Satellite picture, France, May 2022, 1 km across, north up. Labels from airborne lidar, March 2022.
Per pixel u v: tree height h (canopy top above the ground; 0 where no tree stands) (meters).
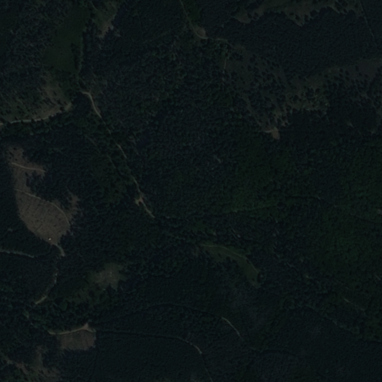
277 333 18
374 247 21
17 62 26
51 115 0
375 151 22
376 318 20
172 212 25
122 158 18
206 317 21
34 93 30
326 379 25
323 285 24
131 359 12
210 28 18
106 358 13
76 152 28
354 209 19
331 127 20
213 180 27
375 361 23
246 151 25
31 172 0
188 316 26
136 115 30
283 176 24
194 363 15
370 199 20
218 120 24
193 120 26
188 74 32
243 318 21
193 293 20
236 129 24
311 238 23
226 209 19
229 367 23
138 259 29
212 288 24
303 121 19
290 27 20
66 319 11
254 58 9
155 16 7
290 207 24
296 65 18
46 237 0
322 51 18
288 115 11
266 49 18
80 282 12
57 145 27
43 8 24
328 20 19
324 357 22
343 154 20
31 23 28
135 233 24
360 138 19
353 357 21
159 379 9
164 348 15
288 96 0
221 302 23
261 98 8
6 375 24
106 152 27
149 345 14
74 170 27
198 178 23
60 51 0
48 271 25
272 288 29
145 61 29
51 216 0
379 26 20
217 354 28
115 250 25
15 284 17
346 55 16
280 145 13
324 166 18
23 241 14
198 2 16
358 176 20
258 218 19
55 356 25
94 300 30
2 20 11
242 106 20
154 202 26
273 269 38
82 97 29
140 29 10
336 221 18
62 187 27
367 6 19
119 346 13
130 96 27
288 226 24
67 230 0
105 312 18
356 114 18
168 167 24
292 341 21
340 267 27
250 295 21
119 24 31
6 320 7
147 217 16
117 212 34
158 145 23
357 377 21
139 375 13
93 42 31
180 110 28
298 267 29
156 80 26
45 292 22
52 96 0
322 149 18
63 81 7
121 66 25
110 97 26
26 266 23
